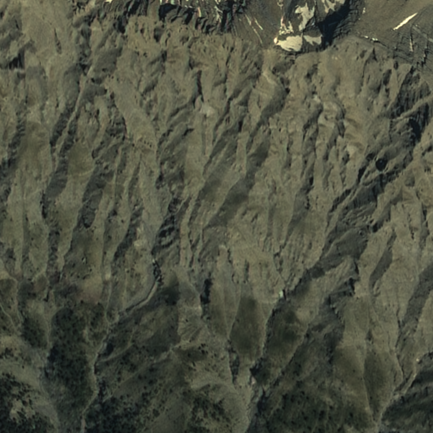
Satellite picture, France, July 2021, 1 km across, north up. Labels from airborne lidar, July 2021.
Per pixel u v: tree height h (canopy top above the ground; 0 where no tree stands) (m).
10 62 0
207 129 0
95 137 0
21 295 0
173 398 0
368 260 0
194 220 0
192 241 0
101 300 0
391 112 0
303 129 0
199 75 0
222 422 0
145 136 0
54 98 0
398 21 0
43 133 0
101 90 0
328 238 0
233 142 0
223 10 0
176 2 0
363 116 0
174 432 0
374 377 0
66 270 0
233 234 0
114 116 0
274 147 0
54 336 0
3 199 0
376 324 0
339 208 0
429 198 0
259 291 0
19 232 0
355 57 0
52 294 0
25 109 0
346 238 0
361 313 0
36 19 0
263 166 0
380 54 0
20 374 0
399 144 0
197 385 0
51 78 0
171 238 0
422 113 0
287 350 0
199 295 0
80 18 0
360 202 0
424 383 0
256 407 0
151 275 0
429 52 0
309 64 0
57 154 0
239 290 0
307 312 0
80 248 0
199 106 0
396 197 0
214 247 0
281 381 0
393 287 0
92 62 0
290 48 0
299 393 0
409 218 0
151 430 0
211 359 0
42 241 0
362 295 0
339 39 0
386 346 0
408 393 0
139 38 0
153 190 0
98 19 0
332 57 0
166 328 0
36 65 0
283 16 0
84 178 0
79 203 0
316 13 0
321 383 0
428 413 0
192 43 0
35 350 0
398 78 0
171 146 0
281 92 0
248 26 0
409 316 0
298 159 0
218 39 0
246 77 0
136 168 0
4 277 0
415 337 0
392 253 0
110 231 0
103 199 0
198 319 0
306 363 0
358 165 0
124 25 0
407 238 0
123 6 0
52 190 0
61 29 0
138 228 0
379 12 0
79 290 0
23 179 0
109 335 0
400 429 0
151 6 0
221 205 0
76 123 0
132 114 0
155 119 0
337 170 0
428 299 0
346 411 0
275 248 0
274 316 0
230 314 0
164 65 0
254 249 0
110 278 0
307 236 0
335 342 0
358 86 0
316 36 0
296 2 0
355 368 0
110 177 0
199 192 0
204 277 0
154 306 0
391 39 0
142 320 0
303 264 0
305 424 0
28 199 0
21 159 0
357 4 0
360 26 0
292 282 0
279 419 6
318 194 0
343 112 0
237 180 0
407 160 0
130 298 0
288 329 0
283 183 0
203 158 0
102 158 0
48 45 0
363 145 0
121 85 0
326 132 0
